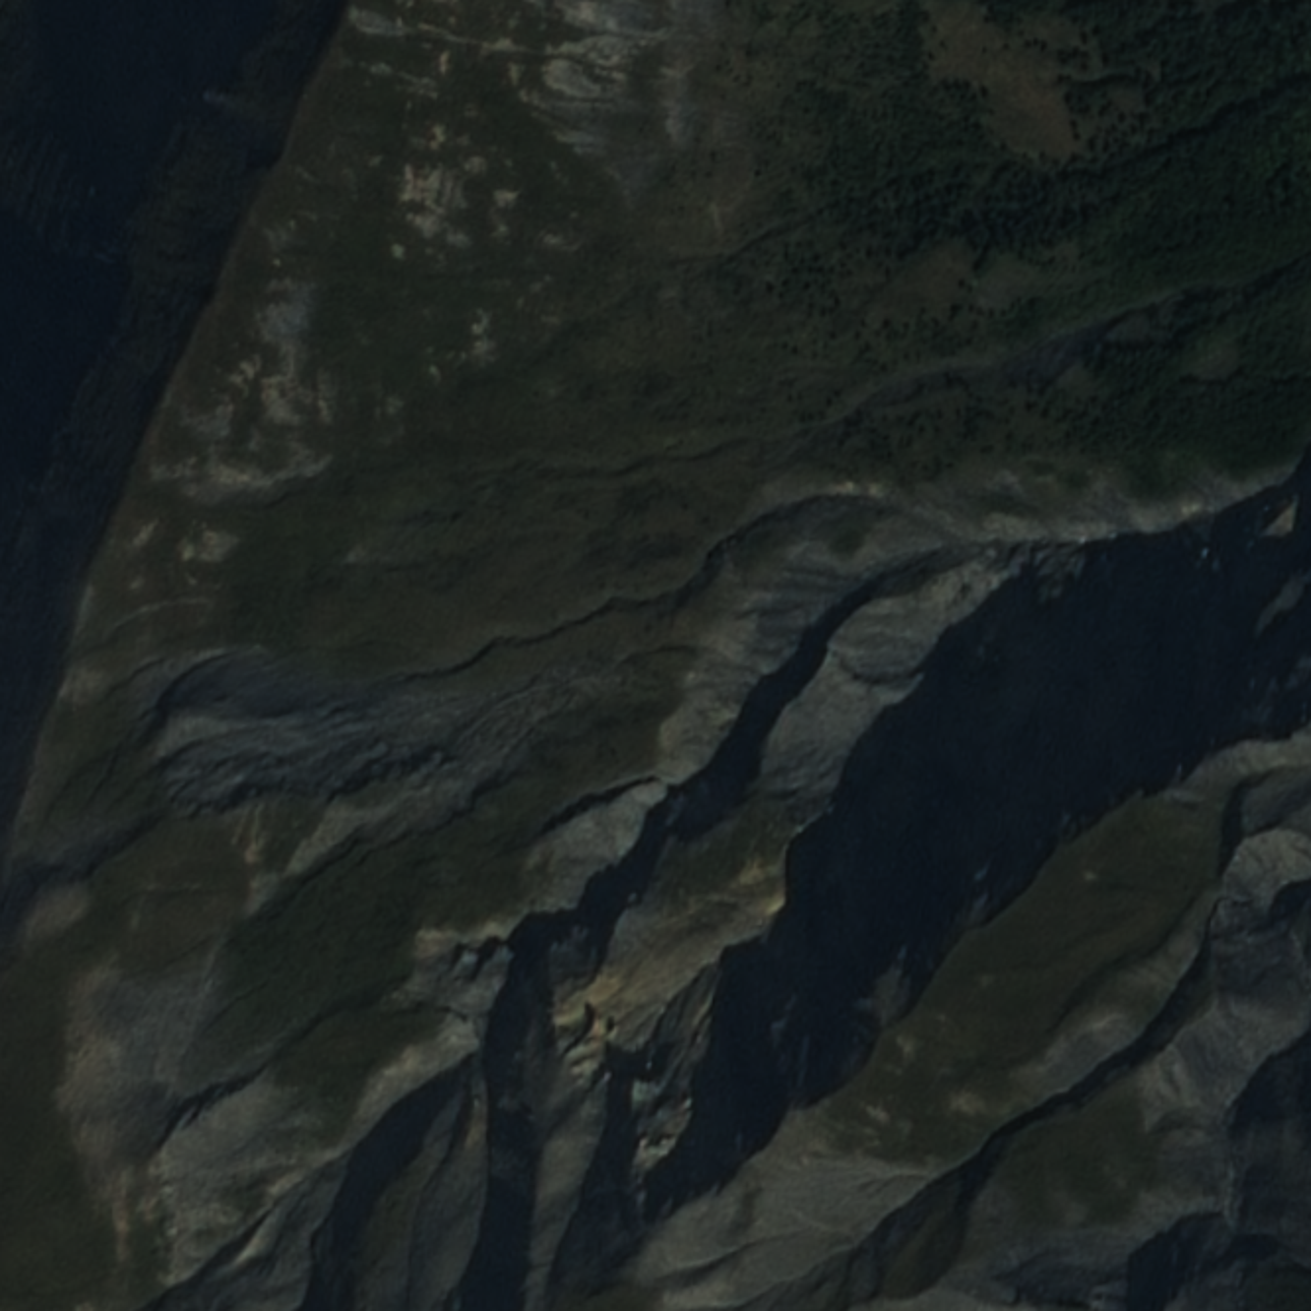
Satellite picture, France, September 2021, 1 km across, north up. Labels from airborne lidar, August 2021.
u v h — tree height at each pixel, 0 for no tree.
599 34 0
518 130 0
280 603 0
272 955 0
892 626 0
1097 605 0
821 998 0
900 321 0
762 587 0
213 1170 0
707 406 0
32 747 0
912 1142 0
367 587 0
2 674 0
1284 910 0
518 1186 0
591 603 0
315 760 0
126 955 0
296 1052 0
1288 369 8
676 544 0
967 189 8
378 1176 0
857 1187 0
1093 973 0
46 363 0
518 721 0
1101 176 6
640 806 0
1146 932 0
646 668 0
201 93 0
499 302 0
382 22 0
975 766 0
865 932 0
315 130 0
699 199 0
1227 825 0
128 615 0
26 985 0
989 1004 0
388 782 0
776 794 0
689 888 0
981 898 0
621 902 0
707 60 0
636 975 0
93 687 0
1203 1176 0
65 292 0
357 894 0
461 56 0
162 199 0
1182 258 12
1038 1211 0
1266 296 9
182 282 0
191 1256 0
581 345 0
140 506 0
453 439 0
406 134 0
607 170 0
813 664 0
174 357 0
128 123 0
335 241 0
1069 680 0
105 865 0
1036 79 0
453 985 0
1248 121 13
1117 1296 0
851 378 0
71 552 0
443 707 0
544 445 0
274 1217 0
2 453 0
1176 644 0
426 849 0
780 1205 0
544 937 0
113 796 0
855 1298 0
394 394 0
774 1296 0
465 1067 0
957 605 0
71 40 0
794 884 0
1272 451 6
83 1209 0
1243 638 0
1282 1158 0
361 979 0
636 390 0
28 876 0
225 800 0
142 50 0
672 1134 0
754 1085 0
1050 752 0
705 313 0
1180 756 0
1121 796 0
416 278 0
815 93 6
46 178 0
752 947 0
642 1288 0
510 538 0
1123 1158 0
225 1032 0
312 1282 0
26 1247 0
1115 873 0
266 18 0
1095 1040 0
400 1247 0
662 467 0
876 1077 0
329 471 0
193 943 0
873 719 0
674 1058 0
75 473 0
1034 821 0
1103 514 0
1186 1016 0
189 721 0
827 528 0
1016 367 0
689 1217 0
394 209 0
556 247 0
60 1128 0
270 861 0
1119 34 8
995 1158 0
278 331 0
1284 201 8
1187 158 9
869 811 0
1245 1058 0
